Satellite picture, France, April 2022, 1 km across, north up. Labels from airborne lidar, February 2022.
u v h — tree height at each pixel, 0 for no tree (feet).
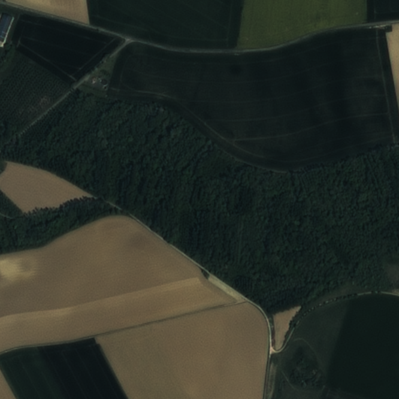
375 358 0
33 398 0
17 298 0
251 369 0
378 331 0
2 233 70
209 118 0
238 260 99
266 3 0
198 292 0
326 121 0
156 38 0
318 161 0
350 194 84
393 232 93
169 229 63
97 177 134
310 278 69
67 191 0
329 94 0
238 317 0
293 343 0
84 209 106
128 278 0
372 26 0
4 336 0
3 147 30
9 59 44
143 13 0
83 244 0
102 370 0
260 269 21
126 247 0
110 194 104
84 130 61
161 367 0
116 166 35
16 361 0
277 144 0
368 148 0
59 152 73
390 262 0
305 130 0
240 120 0
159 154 77
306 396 0
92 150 85
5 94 25
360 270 74
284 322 0
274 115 0
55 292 0
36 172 0
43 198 0
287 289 91
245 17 0
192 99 0
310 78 0
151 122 114
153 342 0
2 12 0
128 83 0
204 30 0
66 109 19
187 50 0
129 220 0
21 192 0
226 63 0
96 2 0
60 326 0
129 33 0
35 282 0
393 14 0
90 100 78
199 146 79
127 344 0
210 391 0
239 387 0
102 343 0
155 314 0
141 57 0
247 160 0
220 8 0
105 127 85
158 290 0
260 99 0
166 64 0
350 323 0
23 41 0
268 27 0
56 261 0
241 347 0
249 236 72
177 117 26
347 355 0
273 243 109
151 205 98
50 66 0
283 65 0
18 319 0
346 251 87
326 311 0
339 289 40
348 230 60
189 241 33
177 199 81
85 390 0
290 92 0
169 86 0
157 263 0
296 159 0
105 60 34
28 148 66
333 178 58
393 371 0
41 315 0
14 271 0
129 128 68
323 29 0
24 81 25
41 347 0
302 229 83
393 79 0
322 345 0
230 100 0
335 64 0
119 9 0
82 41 0
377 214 67
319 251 70
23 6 0
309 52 0
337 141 0
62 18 0
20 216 86
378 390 0
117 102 20
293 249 97
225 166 22
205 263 68
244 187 93
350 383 0
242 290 46
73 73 0
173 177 101
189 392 0
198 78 0
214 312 0
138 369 0
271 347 0
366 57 0
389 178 115
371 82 0
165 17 0
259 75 0
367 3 0
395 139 0
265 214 77
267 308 72
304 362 20
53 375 0
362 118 0
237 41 0
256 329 0
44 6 0
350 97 0
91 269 0
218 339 0
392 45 0
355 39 0
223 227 66
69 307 0
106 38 0
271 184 85
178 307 0
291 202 61
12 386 0
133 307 0
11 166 0
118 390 0
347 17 0
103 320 0
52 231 64
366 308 0
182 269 0
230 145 0
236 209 20
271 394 0
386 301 0
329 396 0
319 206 79
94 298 0
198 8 0
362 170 57
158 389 0
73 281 0
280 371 0
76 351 0
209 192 98
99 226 0
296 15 0
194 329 0
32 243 58
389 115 0
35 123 0
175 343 0
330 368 0
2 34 0
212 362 0
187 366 0
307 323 0
